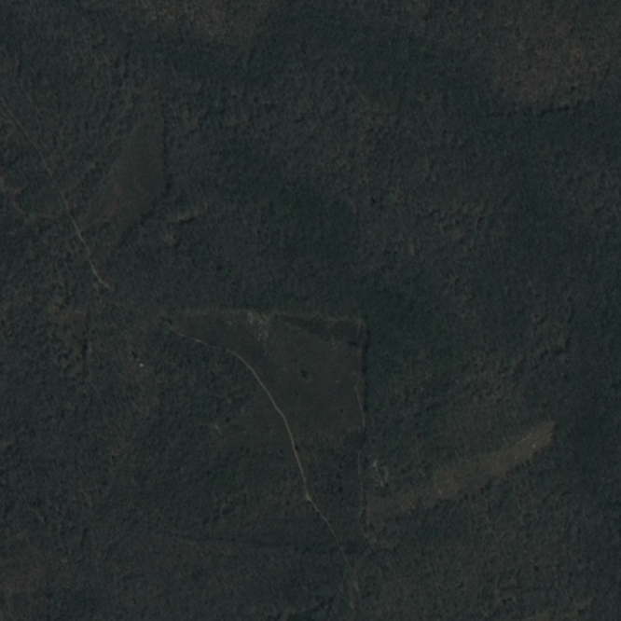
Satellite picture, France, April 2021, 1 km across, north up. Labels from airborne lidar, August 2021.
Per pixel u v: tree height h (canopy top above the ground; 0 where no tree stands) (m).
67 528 14
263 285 13
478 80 20
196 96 10
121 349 16
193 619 13
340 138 12
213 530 9
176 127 13
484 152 18
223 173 14
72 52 11
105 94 8
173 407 12
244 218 13
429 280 14
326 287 15
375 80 13
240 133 12
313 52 10
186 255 11
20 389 10
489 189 13
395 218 14
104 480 8
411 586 15
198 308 15
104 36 12
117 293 12
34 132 15
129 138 6
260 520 8
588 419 20
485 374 11
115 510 8
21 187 14
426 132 11
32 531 12
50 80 13
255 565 20
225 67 17
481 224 11
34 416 8
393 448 15
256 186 14
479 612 7
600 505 13
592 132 16
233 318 0
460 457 11
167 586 14
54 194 12
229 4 11
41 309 7
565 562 5
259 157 15
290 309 17
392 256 11
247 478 6
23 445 8
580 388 18
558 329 15
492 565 11
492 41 11
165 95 12
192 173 13
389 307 15
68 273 12
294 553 12
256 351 0
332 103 11
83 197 8
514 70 9
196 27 9
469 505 8
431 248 12
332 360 0
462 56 15
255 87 9
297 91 10
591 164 14
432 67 18
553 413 14
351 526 9
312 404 0
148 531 12
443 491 0
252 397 9
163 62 13
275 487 9
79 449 10
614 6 9
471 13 8
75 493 14
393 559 15
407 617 9
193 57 16
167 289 15
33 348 8
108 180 10
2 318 9
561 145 16
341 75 9
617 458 15
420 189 10
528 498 10
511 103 10
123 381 11
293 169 11
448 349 12
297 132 12
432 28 11
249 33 9
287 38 18
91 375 11
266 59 18
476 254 12
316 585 16
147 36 22
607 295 17
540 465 13
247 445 0
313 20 20
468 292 12
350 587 15
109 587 12
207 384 9
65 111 18
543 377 15
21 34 13
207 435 9
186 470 10
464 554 9
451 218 8
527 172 21
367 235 16
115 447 13
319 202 15
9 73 9
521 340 12
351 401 0
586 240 19
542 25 8
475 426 11
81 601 11
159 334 14
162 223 15
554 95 6
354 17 19
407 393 8
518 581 8
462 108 19
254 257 14
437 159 10
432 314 15
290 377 0
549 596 12
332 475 8
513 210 18
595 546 10
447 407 12
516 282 12
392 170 10
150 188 0
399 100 12
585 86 10
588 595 9
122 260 15
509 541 11
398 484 10
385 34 16
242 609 14
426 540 13
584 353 16
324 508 10
